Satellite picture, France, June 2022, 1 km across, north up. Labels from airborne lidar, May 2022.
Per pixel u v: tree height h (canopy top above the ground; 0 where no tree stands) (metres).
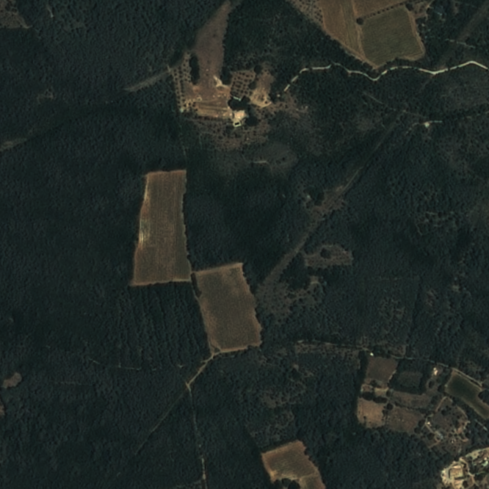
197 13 17
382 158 14
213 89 0
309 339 12
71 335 13
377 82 8
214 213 18
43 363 14
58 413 9
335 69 15
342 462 10
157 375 16
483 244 19
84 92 6
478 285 18
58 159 7
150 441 8
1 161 16
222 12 0
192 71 8
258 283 8
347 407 21
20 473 14
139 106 16
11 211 9
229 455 8
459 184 15
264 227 13
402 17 0
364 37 0
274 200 13
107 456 7
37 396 20
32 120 6
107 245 9
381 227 12
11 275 14
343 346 8
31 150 12
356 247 15
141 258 0
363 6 0
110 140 12
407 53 0
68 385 14
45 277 7
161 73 11
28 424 16
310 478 0
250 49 6
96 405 13
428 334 18
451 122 7
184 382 13
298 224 16
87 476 5
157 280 0
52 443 13
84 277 6
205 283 0
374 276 16
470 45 12
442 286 16
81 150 14
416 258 15
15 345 14
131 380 13
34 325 13
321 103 8
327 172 16
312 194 11
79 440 19
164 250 0
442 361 9
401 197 17
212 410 15
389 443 16
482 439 21
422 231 10
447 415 15
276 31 6
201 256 18
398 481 10
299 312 13
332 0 0
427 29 11
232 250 15
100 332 9
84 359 15
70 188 13
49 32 19
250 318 0
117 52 16
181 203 0
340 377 15
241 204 6
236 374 14
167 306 13
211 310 0
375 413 0
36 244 7
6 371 15
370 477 9
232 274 0
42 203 8
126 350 16
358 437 11
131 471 7
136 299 13
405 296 10
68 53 15
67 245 7
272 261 9
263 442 9
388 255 17
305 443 18
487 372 11
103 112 11
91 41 13
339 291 17
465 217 15
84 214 9
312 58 11
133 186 20
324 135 9
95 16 14
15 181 13
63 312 7
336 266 10
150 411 15
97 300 6
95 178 12
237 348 0
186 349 15
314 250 19
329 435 18
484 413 0
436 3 10
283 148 0
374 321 9
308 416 20
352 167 12
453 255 14
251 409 13
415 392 10
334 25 0
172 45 21
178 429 13
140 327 16
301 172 17
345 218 16
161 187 0
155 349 15
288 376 17
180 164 14
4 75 7
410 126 10
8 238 7
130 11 21
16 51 8
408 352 9
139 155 19
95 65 16
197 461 9
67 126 7
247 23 13
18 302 16
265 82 0
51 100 9
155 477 7
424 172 15
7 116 9
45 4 16
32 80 7
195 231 12
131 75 17
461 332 9
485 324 14
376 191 14
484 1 6
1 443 17
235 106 16
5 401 21
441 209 16
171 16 23
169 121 13
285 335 15
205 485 12
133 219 7
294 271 13
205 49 0
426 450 18
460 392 0
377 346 9
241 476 8
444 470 17
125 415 16
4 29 6
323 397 17
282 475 0
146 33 15
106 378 18
